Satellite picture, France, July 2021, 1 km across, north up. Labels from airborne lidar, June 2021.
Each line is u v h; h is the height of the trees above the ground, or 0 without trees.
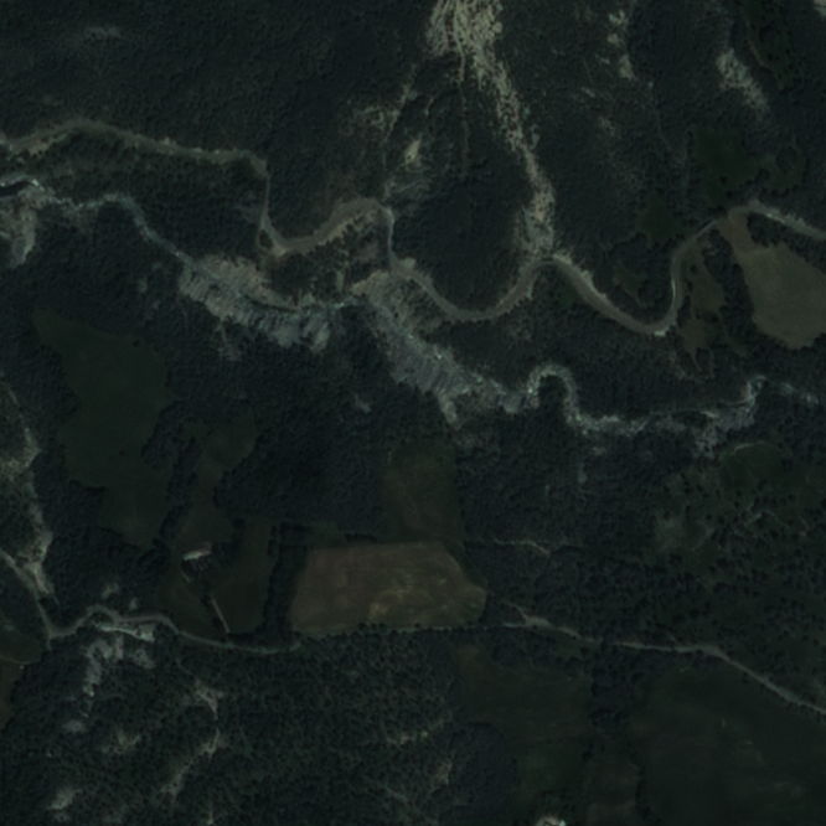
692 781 0
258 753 12
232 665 12
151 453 14
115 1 13
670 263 14
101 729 9
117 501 0
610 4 8
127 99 9
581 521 13
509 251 9
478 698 0
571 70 8
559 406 8
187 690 7
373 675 13
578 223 6
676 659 14
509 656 16
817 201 10
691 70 12
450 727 8
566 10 8
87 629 10
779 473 0
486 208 14
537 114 7
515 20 6
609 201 9
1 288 11
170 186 11
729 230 0
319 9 10
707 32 10
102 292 15
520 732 0
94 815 9
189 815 11
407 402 11
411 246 6
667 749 0
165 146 0
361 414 11
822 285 0
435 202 8
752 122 7
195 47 14
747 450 0
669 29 15
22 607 18
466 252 14
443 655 14
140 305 7
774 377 10
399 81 6
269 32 8
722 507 0
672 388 14
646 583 15
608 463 7
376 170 7
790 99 14
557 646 12
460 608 0
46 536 0
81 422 0
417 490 0
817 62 14
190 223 11
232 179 8
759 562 0
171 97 12
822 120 13
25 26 17
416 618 0
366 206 0
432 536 0
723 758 0
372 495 18
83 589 12
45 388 9
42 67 8
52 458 16
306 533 22
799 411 12
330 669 19
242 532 6
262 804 15
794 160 10
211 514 0
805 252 12
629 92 7
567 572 12
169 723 11
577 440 12
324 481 19
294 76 13
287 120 12
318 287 10
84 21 7
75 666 8
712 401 7
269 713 15
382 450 10
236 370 13
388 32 9
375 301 0
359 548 0
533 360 15
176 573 0
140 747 10
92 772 8
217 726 7
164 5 11
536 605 8
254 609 0
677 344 10
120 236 17
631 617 7
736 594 17
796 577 14
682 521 0
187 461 15
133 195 12
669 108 12
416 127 7
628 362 16
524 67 7
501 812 13
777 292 0
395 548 0
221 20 11
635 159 9
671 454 8
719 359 12
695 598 13
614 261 13
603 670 16
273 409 13
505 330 9
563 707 0
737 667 0
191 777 8
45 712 15
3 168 6
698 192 14
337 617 0
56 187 9
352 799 15
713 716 0
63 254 14
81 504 16
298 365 17
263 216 0
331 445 14
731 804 0
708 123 9
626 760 0
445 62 7
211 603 23
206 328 16
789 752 0
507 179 9
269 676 15
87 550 17
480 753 14
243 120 6
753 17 0
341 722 17
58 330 0
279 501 19
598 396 15
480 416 7
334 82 12
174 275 6
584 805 0
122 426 0
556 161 10
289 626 16
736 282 16
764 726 0
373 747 7
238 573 0
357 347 10
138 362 0
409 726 7
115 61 6
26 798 16
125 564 12
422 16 9
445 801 12
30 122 8
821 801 0
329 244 6
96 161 6
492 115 5
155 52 8
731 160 0
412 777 9
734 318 18
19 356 10
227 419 11
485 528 14
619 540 8
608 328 15
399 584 0
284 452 17
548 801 13
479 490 16
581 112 6
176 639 9
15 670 0
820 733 0
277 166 11
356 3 14
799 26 14
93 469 0
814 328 0
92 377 0
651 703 0
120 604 6
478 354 9
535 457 11
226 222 11
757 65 9
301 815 12
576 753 0
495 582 16
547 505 8
